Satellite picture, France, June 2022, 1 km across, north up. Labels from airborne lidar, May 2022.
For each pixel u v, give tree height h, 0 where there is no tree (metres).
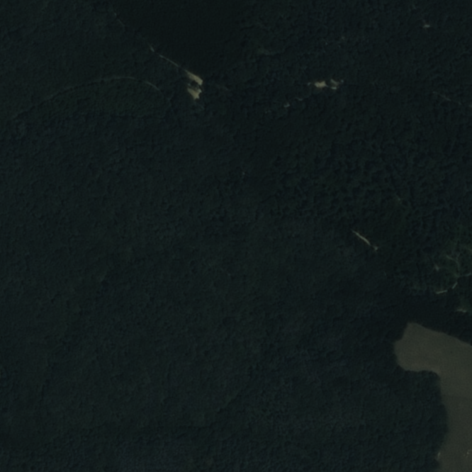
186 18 13
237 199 25
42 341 21
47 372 27
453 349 0
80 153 20
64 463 18
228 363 16
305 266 26
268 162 29
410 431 19
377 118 25
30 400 29
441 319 26
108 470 26
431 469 18
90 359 15
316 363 25
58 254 22
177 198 22
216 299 19
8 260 20
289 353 20
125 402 18
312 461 13
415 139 9
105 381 23
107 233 23
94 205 25
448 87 33
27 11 25
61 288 22
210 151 25
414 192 30
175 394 22
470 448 0
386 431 21
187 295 20
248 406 17
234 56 18
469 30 19
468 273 8
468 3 26
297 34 25
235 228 21
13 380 20
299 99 15
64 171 22
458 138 35
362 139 7
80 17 21
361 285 22
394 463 19
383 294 23
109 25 19
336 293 25
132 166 18
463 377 0
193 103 19
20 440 24
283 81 27
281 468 16
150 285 20
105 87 7
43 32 24
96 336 15
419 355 0
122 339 24
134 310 21
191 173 19
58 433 23
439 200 14
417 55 25
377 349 22
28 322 19
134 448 23
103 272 29
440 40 21
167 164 23
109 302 23
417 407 26
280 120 28
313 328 16
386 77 27
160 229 21
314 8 30
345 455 16
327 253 21
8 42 24
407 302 26
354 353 19
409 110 27
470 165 34
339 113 31
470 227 10
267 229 21
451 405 0
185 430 23
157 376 19
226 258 20
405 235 6
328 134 24
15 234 17
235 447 18
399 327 20
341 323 27
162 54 14
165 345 19
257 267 23
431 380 21
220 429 22
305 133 27
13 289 20
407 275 33
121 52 25
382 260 17
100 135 26
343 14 24
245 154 28
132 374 21
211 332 15
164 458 24
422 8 25
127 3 14
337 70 24
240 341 19
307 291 24
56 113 15
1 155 24
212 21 12
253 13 28
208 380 22
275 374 22
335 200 22
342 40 26
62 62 21
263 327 20
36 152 18
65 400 22
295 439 23
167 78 22
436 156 33
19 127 29
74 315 25
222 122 23
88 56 23
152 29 14
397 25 24
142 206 24
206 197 20
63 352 23
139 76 20
